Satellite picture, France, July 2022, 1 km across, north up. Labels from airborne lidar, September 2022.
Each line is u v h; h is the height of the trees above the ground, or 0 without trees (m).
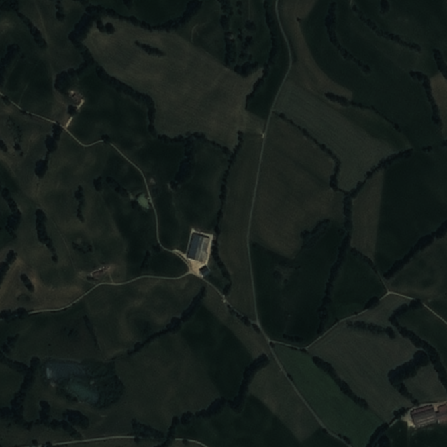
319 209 0
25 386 20
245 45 21
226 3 18
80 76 15
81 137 0
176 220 0
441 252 0
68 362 0
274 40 17
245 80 0
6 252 0
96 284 0
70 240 0
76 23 0
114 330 0
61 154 0
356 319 0
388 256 0
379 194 0
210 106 0
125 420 0
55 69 0
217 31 0
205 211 0
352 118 0
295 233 0
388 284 0
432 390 0
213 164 0
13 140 0
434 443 0
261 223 0
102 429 0
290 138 0
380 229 0
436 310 0
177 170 0
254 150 0
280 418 0
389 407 0
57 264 0
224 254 0
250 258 0
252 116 0
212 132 0
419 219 0
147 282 0
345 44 0
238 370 0
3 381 0
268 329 0
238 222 0
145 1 0
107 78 20
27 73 0
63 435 0
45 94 0
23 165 0
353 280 0
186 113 0
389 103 0
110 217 0
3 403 0
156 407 0
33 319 0
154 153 0
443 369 20
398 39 16
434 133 0
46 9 0
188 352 0
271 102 0
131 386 0
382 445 21
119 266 0
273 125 0
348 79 0
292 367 0
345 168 0
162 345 0
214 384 0
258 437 0
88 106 0
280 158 0
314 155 0
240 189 0
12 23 0
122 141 0
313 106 0
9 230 15
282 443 0
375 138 0
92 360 0
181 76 0
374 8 0
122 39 0
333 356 0
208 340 0
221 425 0
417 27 0
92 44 0
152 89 0
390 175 0
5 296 0
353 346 0
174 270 0
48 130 0
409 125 0
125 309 0
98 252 0
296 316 0
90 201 0
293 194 0
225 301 0
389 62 0
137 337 0
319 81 0
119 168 0
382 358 0
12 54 23
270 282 0
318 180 0
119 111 0
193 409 0
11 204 16
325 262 0
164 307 0
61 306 0
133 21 20
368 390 0
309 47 0
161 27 16
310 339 0
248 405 0
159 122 0
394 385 19
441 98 0
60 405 0
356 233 0
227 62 17
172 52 0
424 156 0
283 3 0
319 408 0
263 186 0
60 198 0
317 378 0
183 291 0
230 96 0
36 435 0
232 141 0
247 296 0
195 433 0
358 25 0
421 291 0
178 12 0
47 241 11
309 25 0
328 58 0
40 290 0
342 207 0
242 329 0
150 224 0
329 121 0
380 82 0
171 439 12
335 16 20
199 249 0
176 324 22
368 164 0
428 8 0
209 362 0
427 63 0
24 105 0
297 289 0
